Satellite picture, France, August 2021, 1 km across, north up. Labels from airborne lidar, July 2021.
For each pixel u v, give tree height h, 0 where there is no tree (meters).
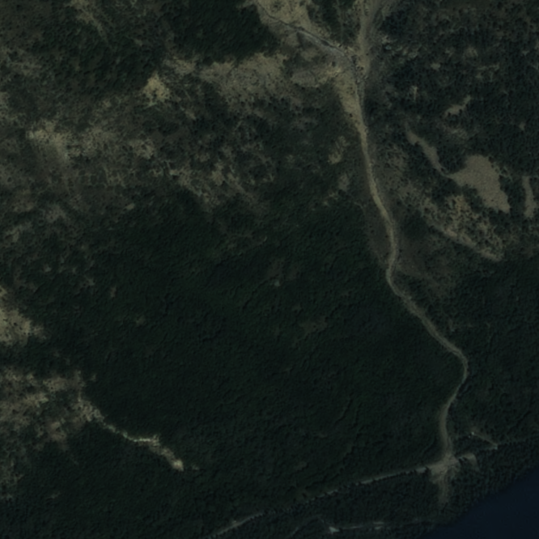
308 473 14
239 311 13
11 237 7
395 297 8
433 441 9
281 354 10
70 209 6
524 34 10
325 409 15
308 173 7
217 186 6
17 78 10
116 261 10
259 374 12
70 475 10
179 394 13
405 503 22
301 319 13
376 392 14
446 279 6
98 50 10
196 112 5
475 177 0
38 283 10
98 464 12
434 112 13
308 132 7
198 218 12
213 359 16
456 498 9
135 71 9
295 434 16
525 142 10
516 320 20
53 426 0
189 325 23
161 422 13
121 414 9
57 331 7
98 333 11
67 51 6
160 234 11
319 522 7
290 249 9
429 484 9
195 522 24
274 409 12
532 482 13
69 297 11
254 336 10
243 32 10
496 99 7
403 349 12
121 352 8
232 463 12
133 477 13
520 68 13
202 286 13
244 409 13
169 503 14
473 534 12
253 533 12
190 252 9
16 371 6
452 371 10
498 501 16
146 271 13
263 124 10
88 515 15
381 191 0
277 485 24
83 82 7
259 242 7
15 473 7
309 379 11
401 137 14
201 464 11
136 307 11
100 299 11
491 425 14
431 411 21
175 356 14
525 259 9
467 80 14
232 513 14
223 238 8
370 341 11
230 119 8
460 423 16
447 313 10
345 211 6
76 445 7
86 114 0
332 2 9
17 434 7
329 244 8
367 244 7
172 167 16
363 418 12
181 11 9
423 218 6
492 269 11
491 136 13
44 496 8
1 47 0
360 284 11
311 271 11
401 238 0
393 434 15
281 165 16
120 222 6
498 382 13
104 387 12
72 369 10
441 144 13
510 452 20
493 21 7
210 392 13
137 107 6
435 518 9
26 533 18
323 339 13
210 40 10
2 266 8
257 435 26
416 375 9
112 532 9
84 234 8
